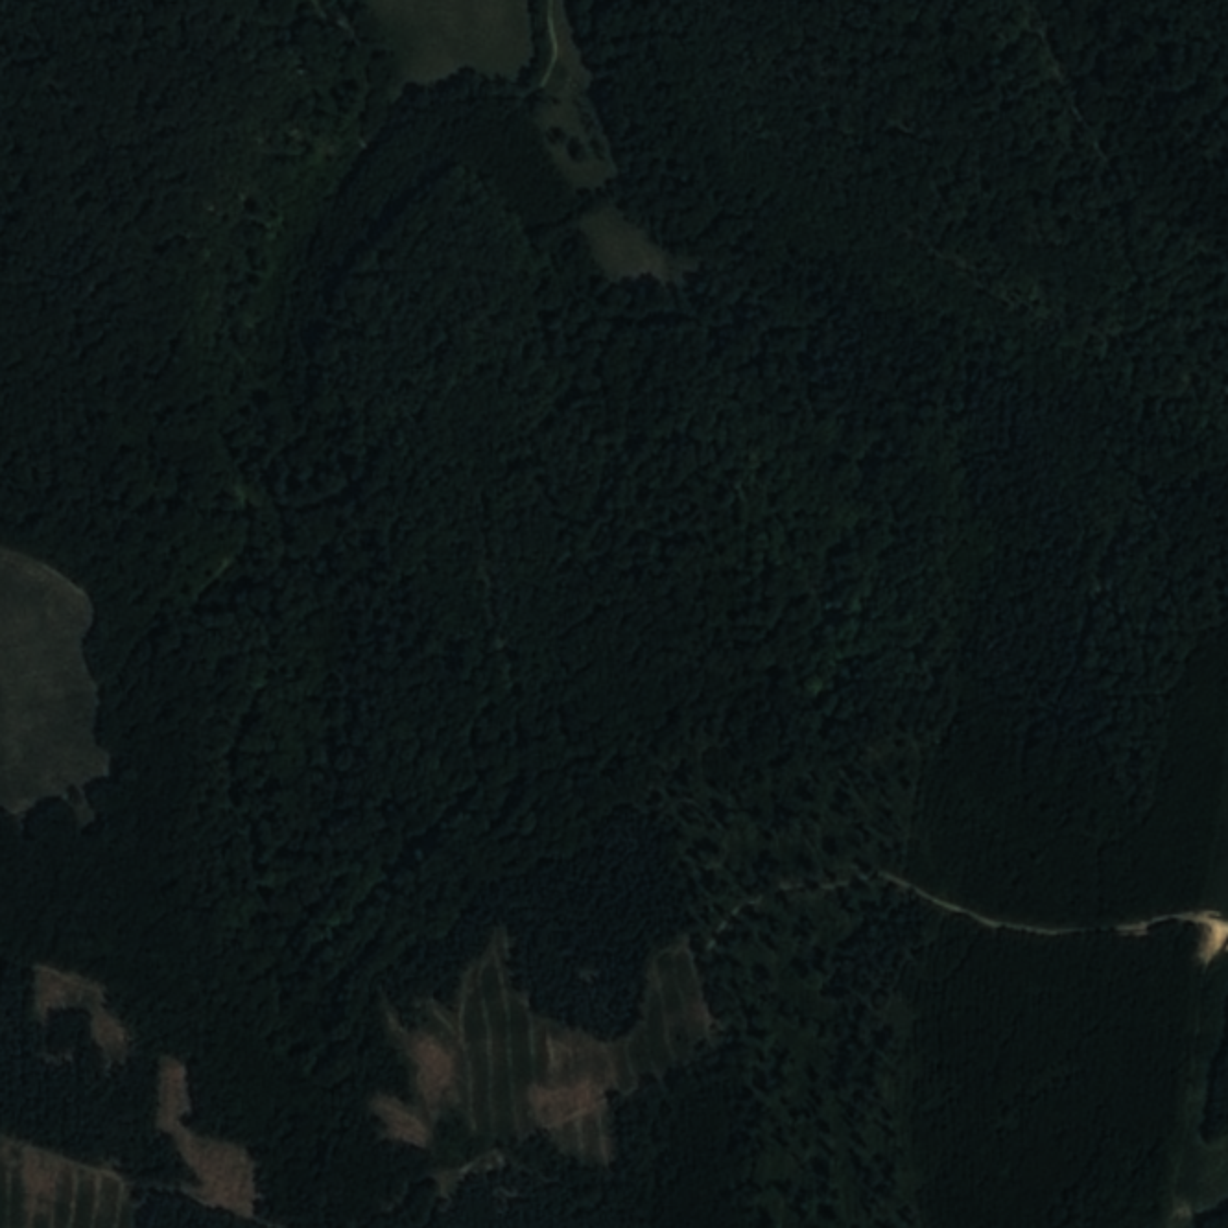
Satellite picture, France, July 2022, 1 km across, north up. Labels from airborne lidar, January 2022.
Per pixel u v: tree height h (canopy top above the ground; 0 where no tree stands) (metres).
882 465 31
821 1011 0
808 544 36
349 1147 17
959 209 26
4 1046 17
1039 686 18
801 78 20
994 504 28
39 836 20
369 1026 13
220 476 32
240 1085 15
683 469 27
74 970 15
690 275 0
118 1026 20
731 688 20
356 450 28
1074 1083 8
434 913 30
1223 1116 15
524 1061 16
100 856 20
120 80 22
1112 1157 16
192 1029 13
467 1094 15
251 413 32
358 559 29
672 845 26
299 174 26
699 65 17
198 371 26
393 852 32
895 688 17
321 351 36
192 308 24
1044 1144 9
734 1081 17
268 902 34
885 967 18
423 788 30
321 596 30
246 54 21
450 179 30
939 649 24
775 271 20
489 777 33
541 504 25
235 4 22
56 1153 14
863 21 27
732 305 12
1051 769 26
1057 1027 7
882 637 25
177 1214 15
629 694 21
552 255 17
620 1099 12
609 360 35
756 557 28
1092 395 21
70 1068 17
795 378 32
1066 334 21
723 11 15
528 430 23
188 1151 18
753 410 28
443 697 35
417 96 21
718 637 27
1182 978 8
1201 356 30
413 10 0
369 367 19
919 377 24
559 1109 15
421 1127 15
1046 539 25
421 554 26
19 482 20
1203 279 26
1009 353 21
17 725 0
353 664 37
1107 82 29
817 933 27
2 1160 12
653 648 25
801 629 37
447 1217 13
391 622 17
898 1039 27
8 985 18
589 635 25
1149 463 22
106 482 25
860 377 31
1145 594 23
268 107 16
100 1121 18
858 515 36
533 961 12
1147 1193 18
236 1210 14
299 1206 17
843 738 28
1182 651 25
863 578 31
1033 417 24
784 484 28
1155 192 34
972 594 13
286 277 17
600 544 24
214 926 27
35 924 20
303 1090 15
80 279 24
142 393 23
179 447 27
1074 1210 16
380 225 19
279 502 34
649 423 21
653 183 29
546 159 17
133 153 22
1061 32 30
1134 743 27
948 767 15
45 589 0
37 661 0
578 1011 20
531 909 12
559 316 29
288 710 29
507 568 20
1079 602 15
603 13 32
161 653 27
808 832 28
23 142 22
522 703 27
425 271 22
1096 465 17
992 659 28
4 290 26
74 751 0
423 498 22
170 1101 18
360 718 33
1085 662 25
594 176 0
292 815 31
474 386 21
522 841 27
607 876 12
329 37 35
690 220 28
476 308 20
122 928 20
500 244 19
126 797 20
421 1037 16
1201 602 29
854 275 14
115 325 22
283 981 32
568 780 27
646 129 27
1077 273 14
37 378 20
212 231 21
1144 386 24
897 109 23
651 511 9
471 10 0
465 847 28
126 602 21
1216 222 18
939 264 19
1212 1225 19
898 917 24
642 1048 18
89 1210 20
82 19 26
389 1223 14
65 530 18
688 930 17
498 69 0
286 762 33
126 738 16
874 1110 30
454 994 11
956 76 22
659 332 26
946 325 24
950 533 22
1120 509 22
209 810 35
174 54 24
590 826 15
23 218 21
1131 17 21
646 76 24
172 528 25
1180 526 21
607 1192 16
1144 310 23
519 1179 10
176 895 25
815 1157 0
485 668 24
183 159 16
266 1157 19
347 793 31
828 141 18
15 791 0
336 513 33
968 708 19
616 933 15
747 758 31
